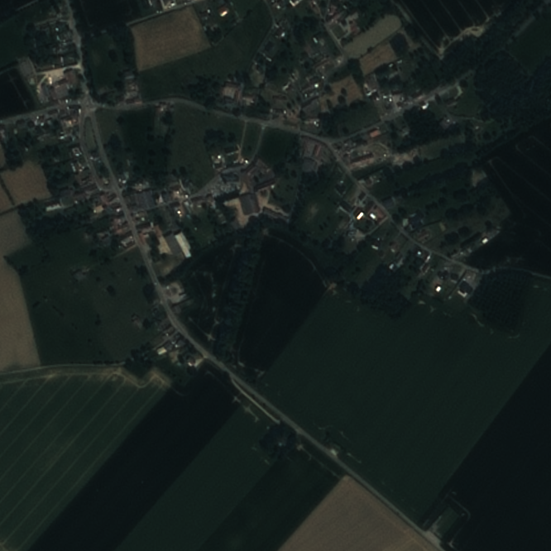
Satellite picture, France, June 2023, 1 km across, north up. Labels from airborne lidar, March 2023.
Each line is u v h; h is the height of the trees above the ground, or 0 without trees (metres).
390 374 0
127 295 0
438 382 0
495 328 0
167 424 0
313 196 0
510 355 0
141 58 0
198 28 0
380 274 21
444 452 0
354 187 0
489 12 0
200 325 0
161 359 0
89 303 0
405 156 0
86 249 0
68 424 0
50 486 0
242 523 0
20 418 0
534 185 0
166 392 0
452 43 0
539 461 0
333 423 0
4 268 0
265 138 0
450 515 0
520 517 0
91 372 0
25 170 0
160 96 0
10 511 0
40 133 6
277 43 0
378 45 0
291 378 0
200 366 0
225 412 0
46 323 0
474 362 0
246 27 0
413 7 0
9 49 0
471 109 0
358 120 0
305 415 0
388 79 9
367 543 0
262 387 0
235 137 16
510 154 0
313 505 0
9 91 0
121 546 0
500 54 17
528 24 0
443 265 0
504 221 0
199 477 0
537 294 0
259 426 0
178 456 0
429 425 0
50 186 15
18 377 0
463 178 14
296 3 9
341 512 0
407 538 0
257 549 0
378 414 0
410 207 0
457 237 13
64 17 0
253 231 22
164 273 0
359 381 0
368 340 0
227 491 0
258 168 0
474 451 0
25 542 0
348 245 0
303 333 0
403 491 0
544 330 0
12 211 0
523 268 0
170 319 0
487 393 0
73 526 0
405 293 0
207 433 0
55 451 0
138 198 0
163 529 0
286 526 0
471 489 0
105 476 0
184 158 0
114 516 0
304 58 9
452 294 0
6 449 0
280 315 0
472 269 0
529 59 0
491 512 0
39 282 0
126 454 0
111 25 0
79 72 0
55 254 0
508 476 0
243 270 24
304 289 0
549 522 0
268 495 0
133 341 0
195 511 0
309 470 0
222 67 0
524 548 0
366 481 0
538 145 0
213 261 0
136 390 0
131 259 0
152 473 0
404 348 0
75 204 7
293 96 0
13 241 0
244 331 0
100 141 0
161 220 14
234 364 0
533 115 17
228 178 0
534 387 0
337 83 0
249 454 0
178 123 0
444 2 0
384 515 0
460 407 0
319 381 0
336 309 0
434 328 0
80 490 0
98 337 0
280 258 0
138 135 0
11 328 0
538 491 0
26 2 0
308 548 0
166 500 0
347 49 0
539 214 0
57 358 0
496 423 0
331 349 0
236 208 0
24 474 0
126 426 0
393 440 0
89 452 0
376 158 0
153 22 0
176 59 0
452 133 12
